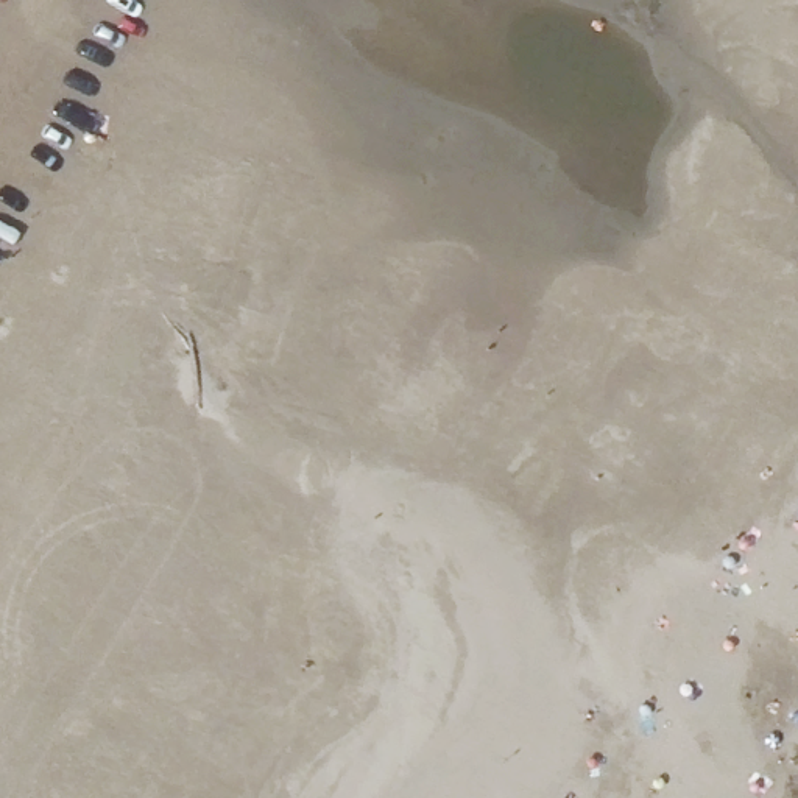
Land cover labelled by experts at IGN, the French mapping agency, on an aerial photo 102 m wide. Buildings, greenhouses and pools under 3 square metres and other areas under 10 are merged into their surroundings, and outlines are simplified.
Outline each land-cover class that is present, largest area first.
<instances>
[{"label":"bare soil","instance_id":"1","mask_svg":"<svg viewBox=\"0 0 798 798\"><path fill-rule=\"evenodd\" d=\"M0 798H798V0H0Z\"/></svg>","mask_w":798,"mask_h":798}]
</instances>
